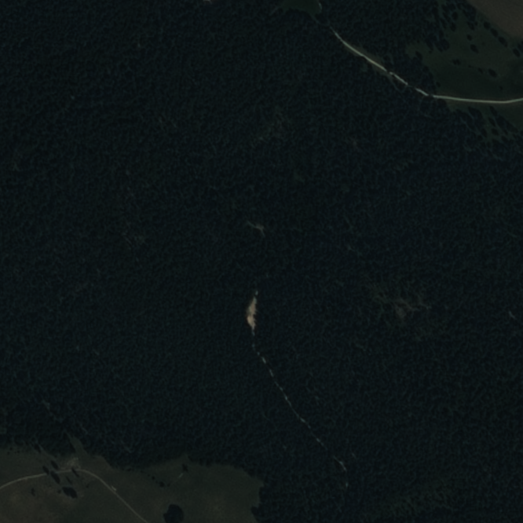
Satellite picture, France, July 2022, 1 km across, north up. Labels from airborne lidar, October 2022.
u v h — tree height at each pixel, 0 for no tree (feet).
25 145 70
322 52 58
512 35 0
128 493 0
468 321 83
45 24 66
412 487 95
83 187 90
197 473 0
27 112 57
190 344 73
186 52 98
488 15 0
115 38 65
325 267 89
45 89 71
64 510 0
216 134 82
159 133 60
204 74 67
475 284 66
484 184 69
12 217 62
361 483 76
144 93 72
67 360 76
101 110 88
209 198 36
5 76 78
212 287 85
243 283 70
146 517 0
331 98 78
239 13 74
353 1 80
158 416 76
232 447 63
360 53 0
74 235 84
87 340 75
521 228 35
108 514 0
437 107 51
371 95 52
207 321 52
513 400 63
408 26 40
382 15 55
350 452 85
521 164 87
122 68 62
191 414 75
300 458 59
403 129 74
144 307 47
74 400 91
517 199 23
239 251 77
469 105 0
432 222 96
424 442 78
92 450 74
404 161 27
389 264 73
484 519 94
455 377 71
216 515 0
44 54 69
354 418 93
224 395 78
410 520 61
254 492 0
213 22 79
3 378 76
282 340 79
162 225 69
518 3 0
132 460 73
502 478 53
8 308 73
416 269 21
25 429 60
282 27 79
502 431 59
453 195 77
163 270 90
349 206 85
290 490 50
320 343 69
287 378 76
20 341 64
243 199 101
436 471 79
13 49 66
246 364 74
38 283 83
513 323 67
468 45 0
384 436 62
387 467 89
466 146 30
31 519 0
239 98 78
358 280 74
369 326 89
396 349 91
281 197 39
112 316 68
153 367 76
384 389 68
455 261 72
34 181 85
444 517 54
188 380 82
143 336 51
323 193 48
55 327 63
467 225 85
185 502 0
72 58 65
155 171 53
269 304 64
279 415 83
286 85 63
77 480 0
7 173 65
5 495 0
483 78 0
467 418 71
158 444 92
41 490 0
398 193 66
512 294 69
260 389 80
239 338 65
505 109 0
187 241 69
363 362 72
